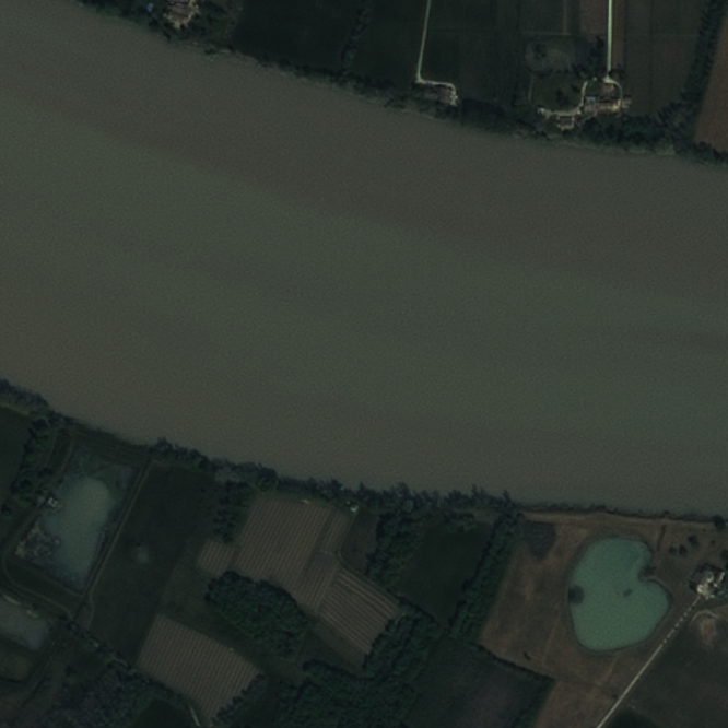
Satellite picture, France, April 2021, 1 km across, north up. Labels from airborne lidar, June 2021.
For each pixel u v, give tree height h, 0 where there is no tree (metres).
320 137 0
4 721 0
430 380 0
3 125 0
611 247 0
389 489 0
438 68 0
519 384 0
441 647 6
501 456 0
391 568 19
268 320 0
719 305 0
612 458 0
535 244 0
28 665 0
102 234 0
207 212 0
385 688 18
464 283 0
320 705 13
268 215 0
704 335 0
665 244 0
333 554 0
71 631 13
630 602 0
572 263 0
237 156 0
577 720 0
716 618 0
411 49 0
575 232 0
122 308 0
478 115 25
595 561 0
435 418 0
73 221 0
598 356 0
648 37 0
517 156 0
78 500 0
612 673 0
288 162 0
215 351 0
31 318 0
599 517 0
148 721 0
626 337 0
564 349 0
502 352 0
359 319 0
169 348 0
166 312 0
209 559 0
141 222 0
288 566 0
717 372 0
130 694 18
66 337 0
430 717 6
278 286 0
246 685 0
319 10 0
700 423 0
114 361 0
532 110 0
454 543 0
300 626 14
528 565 0
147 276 0
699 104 14
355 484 0
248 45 0
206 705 0
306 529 0
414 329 0
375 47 0
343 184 0
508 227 0
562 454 0
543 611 0
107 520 0
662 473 0
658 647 0
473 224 0
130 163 0
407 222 0
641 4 0
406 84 0
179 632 0
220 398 0
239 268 0
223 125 0
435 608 0
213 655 0
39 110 0
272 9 0
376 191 0
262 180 0
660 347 0
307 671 13
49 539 0
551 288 0
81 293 0
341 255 0
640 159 0
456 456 0
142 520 0
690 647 0
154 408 0
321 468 0
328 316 0
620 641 0
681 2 0
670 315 0
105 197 0
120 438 0
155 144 0
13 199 0
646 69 0
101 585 0
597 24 0
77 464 0
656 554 0
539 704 7
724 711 0
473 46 0
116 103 0
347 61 15
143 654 0
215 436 0
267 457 0
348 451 0
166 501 0
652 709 0
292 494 13
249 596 19
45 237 0
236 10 19
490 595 13
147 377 0
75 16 0
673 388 0
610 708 0
